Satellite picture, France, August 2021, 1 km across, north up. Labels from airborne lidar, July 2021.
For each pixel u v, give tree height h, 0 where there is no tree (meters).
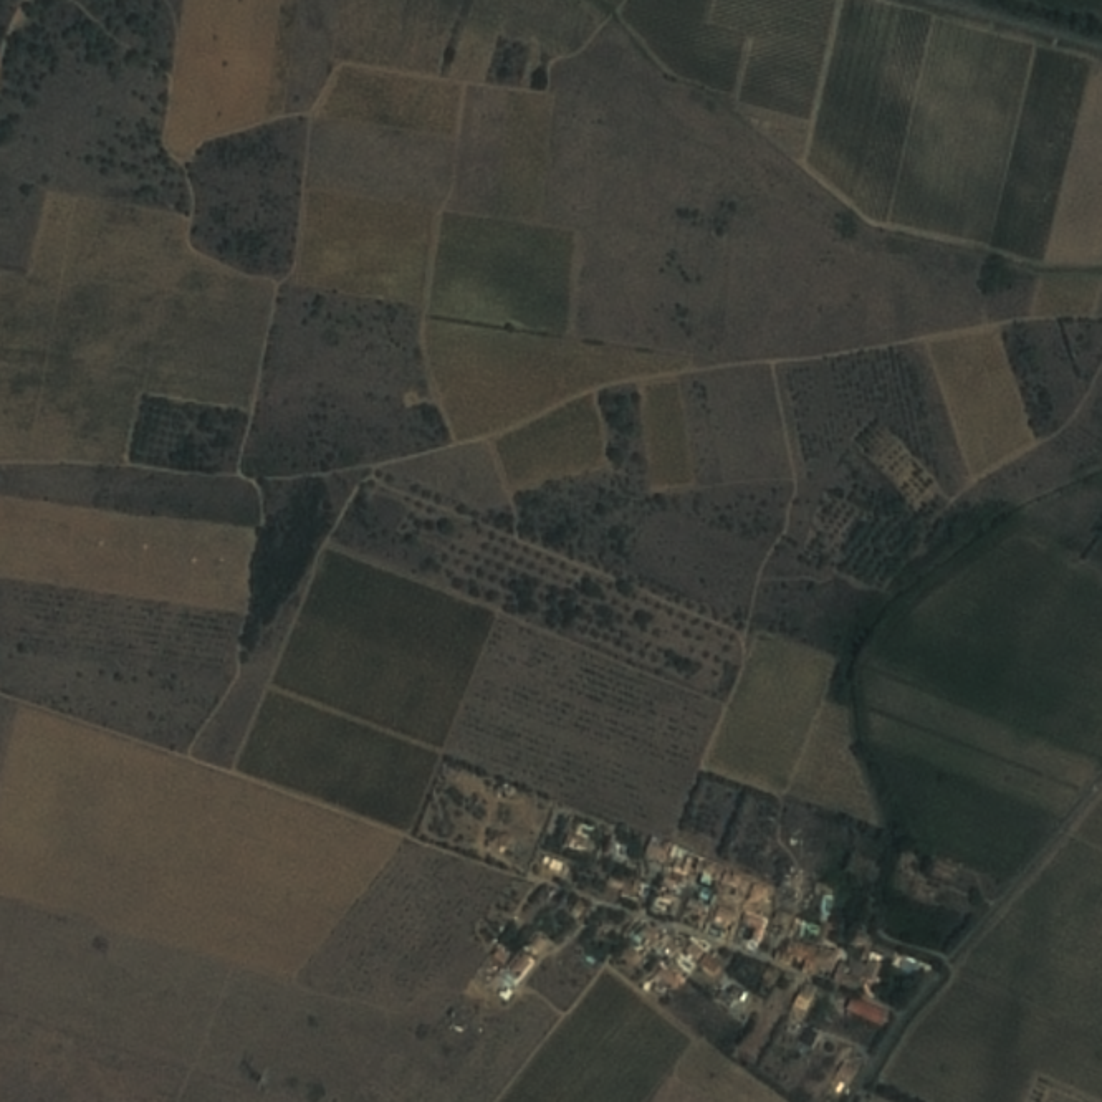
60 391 0
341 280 0
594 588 7
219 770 0
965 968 0
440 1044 0
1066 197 0
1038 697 0
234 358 0
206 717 0
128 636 0
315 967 0
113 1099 0
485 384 0
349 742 0
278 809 0
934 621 0
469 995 0
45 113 0
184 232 0
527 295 0
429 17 0
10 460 0
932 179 0
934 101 0
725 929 0
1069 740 0
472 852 6
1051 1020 0
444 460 0
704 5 0
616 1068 0
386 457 0
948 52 0
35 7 13
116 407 0
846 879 6
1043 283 0
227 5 0
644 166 0
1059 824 0
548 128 0
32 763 0
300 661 0
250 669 0
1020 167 0
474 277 0
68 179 0
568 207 0
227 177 0
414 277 0
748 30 0
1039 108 0
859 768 0
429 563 6
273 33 0
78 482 0
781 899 0
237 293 0
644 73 0
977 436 0
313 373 0
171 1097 0
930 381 0
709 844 0
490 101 0
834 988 14
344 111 0
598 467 0
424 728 0
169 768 0
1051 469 0
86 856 0
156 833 0
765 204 0
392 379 0
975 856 0
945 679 0
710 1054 0
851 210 0
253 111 0
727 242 0
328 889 0
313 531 6
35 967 0
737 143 0
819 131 0
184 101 0
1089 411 0
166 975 0
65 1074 0
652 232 0
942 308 0
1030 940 0
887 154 0
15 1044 0
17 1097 0
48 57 8
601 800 0
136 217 0
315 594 0
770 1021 0
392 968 0
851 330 0
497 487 0
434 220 0
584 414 0
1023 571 0
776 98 0
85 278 0
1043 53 0
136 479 0
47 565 0
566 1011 0
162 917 0
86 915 0
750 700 0
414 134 0
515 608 6
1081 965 0
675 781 0
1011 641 0
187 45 0
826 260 0
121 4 7
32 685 0
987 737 0
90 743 0
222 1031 0
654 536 0
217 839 0
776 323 0
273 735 0
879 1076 0
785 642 0
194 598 0
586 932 7
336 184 0
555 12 0
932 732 0
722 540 0
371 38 0
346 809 0
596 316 0
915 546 10
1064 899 0
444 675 0
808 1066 0
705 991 7
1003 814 0
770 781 0
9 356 0
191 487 0
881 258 0
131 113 0
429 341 0
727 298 0
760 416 0
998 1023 0
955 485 0
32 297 0
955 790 0
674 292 0
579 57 0
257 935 0
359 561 0
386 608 0
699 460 0
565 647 0
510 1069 0
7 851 0
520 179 0
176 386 0
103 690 0
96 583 0
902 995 19
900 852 7
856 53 0
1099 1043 0
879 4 0
